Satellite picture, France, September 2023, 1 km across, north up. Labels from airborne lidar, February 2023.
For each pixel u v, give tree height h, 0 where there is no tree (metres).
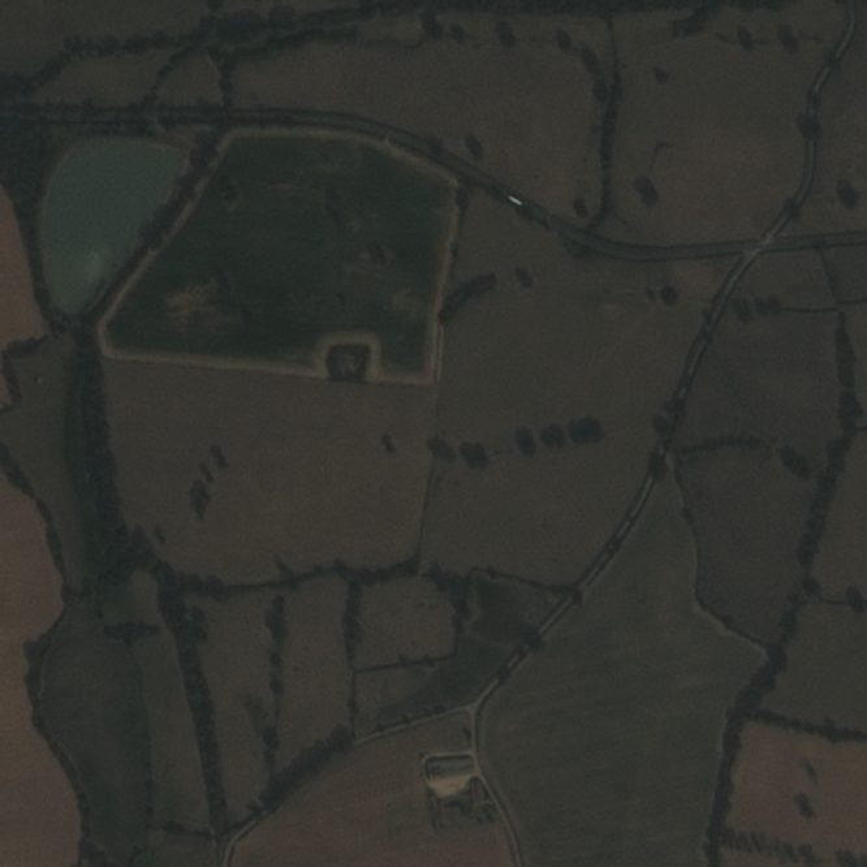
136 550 19
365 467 0
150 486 0
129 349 0
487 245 0
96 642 0
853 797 0
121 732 0
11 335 0
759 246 0
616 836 0
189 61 0
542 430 0
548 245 0
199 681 15
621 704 0
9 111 7
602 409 0
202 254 0
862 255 0
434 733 0
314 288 0
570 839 0
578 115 0
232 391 0
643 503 0
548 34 0
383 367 0
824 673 0
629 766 0
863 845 0
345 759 0
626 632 0
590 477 0
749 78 0
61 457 0
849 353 16
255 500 0
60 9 0
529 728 0
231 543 0
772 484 0
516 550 0
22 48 0
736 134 0
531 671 0
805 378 0
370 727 0
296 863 0
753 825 0
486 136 0
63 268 0
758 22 0
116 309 0
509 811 0
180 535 0
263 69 0
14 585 0
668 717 0
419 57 0
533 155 0
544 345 0
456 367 0
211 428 0
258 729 0
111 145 0
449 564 0
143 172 0
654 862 0
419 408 0
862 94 0
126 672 0
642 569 0
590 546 0
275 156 0
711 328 0
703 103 0
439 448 14
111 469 19
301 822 0
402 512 0
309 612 0
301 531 0
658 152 0
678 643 0
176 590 19
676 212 0
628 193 0
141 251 8
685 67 0
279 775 0
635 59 0
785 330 0
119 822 0
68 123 7
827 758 0
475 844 0
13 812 0
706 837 8
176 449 0
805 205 0
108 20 0
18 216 17
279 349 0
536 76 0
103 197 0
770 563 0
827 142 0
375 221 0
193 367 0
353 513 0
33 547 0
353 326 0
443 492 0
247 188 0
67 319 7
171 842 0
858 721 0
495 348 0
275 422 0
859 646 0
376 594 0
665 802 0
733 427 0
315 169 0
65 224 0
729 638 0
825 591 0
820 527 12
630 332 0
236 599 0
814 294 0
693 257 0
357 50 0
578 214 10
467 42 0
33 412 0
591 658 0
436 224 0
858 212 0
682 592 0
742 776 0
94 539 0
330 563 0
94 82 0
